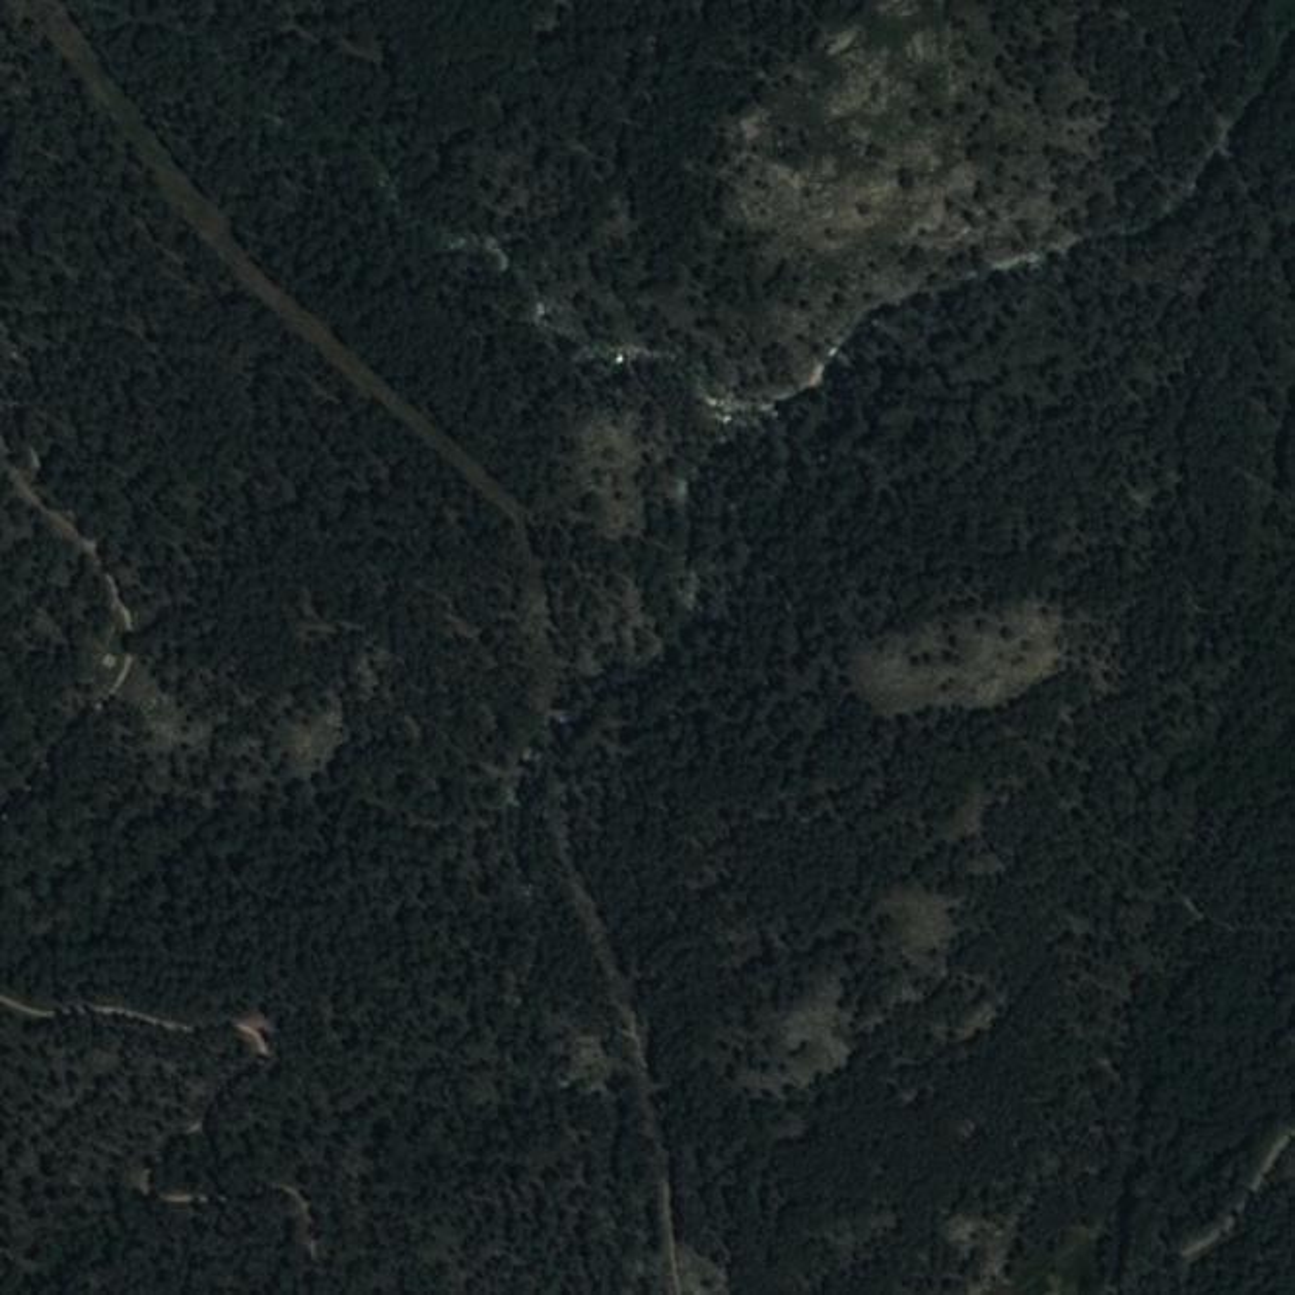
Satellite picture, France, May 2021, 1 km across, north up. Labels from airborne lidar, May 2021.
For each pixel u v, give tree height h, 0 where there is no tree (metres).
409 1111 41
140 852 40
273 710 24
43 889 39
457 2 32
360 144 19
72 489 32
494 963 21
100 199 28
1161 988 22
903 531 26
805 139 14
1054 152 19
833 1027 0
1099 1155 23
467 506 29
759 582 24
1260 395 27
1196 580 32
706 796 30
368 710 25
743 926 30
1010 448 8
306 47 31
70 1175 38
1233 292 33
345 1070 29
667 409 16
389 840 28
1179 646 32
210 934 26
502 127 23
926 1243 20
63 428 27
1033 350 0
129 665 0
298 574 36
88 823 37
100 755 26
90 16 26
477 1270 16
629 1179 28
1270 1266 14
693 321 0
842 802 25
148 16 30
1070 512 13
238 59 23
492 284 23
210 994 28
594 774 21
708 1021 27
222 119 23
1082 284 26
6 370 24
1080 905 33
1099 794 33
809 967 21
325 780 29
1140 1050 18
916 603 15
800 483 24
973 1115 34
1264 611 12
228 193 33
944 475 17
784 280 15
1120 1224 7
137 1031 24
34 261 33
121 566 27
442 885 30
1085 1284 10
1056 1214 26
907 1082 24
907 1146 26
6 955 34
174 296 34
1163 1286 25
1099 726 27
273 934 25
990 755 30
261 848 31
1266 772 12
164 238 30
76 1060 22
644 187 25
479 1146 15
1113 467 18
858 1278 19
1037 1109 32
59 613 25
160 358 35
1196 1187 24
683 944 31
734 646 32
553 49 33
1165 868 20
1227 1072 22
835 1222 23
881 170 0
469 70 32
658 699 32
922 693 0
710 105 14
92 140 36
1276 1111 25
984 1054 25
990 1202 20
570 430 17
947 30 0
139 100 33
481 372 35
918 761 30
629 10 26
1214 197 27
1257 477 30
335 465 33
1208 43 35
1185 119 29
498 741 36
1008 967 21
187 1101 27
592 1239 29
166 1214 35
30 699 27
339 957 24
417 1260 32
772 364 19
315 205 24
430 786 37
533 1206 27
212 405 38
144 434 36
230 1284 35
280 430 35
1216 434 38
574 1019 8
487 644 15
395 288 31
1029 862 25
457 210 30
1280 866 14
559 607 22
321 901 27
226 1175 39
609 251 11
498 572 32
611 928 17
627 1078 10
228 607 28
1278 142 31
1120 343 23
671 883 22
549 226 18
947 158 0
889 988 13
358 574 33
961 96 0
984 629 10
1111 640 18
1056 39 26
